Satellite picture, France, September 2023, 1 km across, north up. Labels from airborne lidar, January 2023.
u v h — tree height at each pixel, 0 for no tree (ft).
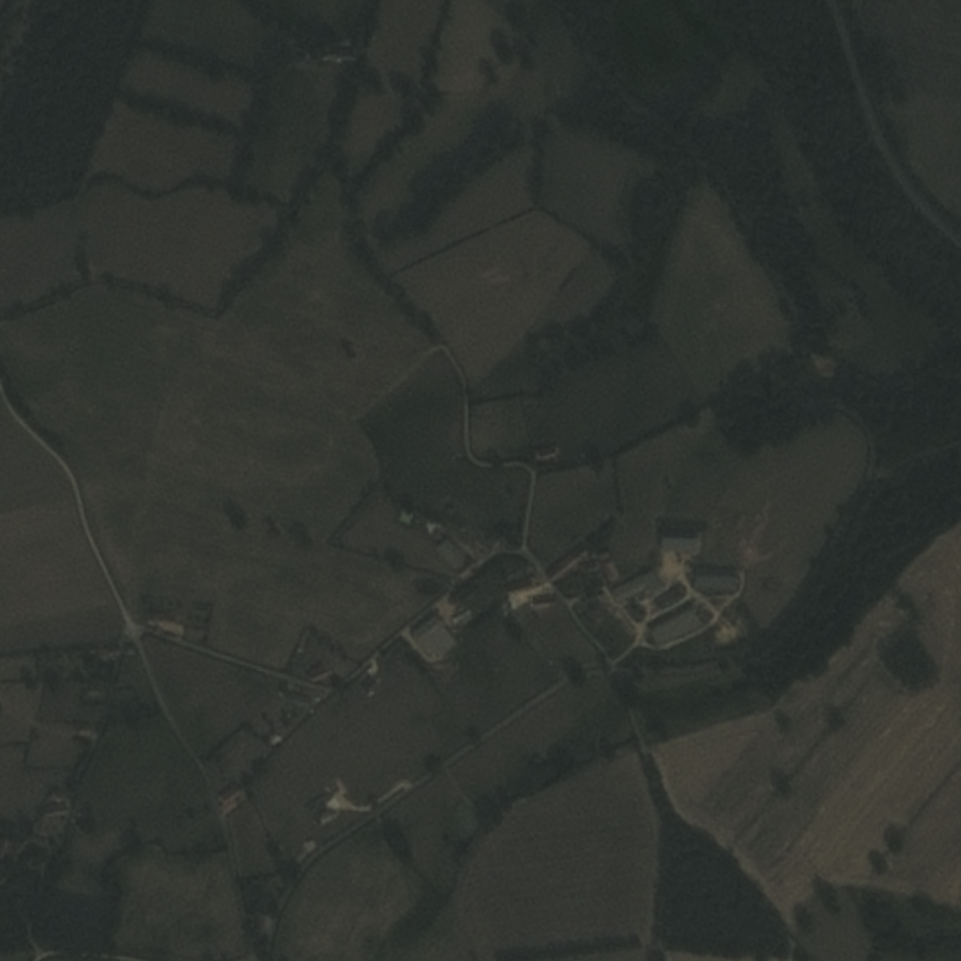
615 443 0
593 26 65
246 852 0
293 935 0
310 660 0
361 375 0
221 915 0
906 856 0
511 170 0
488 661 0
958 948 18
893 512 74
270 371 0
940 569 0
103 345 0
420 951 0
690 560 0
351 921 0
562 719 0
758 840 0
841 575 73
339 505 0
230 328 0
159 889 0
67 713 0
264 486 0
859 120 52
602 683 0
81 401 0
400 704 0
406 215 78
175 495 0
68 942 54
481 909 0
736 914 82
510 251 0
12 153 25
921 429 58
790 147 0
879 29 0
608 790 0
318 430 0
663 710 0
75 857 0
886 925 23
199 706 0
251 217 0
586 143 0
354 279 0
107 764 0
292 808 0
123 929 0
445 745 0
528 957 36
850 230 69
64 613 0
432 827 0
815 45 80
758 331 0
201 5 0
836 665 0
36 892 23
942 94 0
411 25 0
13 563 0
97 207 0
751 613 0
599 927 0
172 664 0
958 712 0
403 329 0
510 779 0
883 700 0
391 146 48
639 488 0
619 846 0
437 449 0
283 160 0
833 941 0
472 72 0
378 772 0
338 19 0
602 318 64
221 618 0
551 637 0
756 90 0
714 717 0
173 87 0
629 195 0
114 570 0
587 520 0
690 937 60
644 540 0
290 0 0
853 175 77
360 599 0
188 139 0
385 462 0
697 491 0
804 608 60
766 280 0
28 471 0
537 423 0
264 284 0
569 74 0
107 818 0
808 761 0
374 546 0
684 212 0
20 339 0
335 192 0
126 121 0
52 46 30
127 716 60
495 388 0
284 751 0
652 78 0
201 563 0
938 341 0
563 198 0
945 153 0
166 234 0
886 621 0
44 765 0
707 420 0
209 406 0
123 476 0
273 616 0
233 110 0
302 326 0
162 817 0
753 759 0
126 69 23
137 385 0
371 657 0
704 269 0
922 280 67
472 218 0
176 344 0
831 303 0
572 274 0
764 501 0
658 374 0
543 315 0
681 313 0
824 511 0
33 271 0
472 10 0
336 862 0
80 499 0
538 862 0
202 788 0
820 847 0
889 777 0
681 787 0
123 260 0
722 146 47
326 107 0
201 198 0
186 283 0
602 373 0
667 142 55
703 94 69
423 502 0
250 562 0
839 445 0
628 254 50
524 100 0
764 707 0
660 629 0
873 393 61
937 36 0
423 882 0
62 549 0
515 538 31
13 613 0
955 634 0
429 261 0
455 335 0
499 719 0
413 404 0
